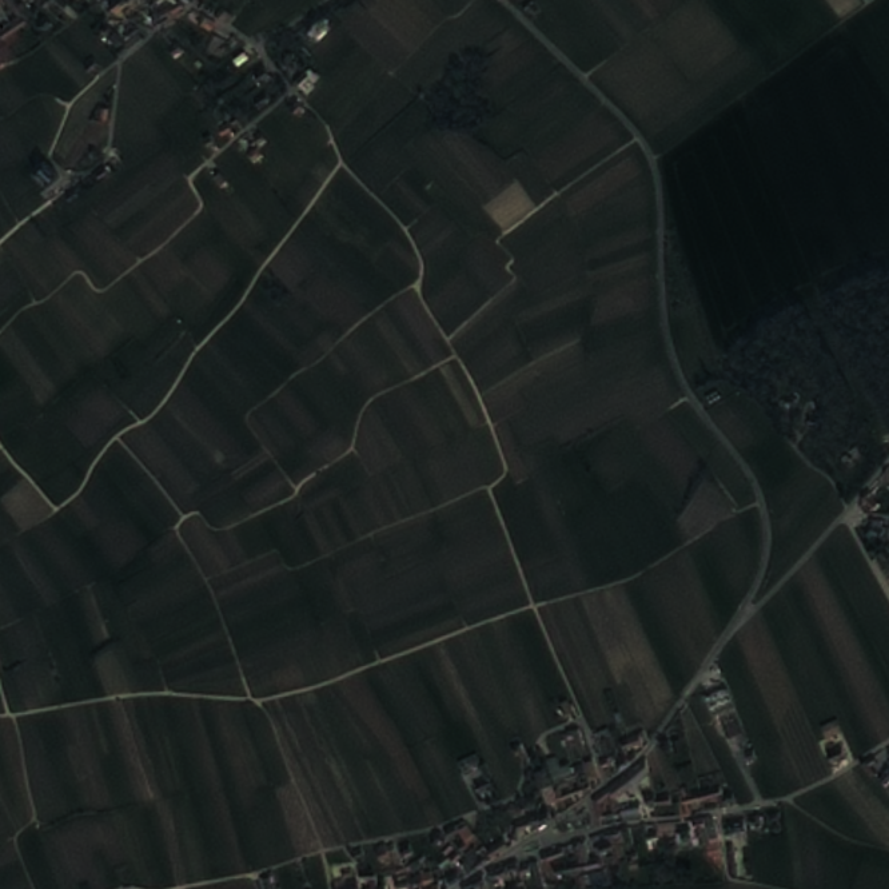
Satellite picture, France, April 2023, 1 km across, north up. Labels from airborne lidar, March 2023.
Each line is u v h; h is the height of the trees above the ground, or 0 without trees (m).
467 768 0
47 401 0
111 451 0
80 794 0
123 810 0
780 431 12
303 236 0
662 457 0
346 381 0
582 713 0
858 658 0
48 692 0
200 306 0
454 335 0
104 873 0
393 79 0
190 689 0
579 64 0
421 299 0
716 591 0
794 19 0
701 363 0
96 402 0
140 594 0
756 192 0
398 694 0
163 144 0
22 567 0
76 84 0
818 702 0
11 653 0
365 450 0
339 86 0
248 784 0
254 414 0
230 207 0
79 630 0
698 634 0
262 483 0
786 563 0
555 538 0
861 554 0
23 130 0
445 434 0
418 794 0
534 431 0
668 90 0
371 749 0
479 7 0
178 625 0
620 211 0
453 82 14
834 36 0
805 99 0
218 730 0
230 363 0
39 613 0
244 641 0
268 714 0
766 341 20
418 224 0
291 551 0
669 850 14
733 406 0
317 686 0
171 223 0
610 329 0
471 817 0
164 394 0
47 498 0
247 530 0
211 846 0
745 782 0
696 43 0
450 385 0
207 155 0
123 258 0
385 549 0
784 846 0
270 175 0
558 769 0
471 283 0
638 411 0
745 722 0
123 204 0
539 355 0
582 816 0
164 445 0
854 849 0
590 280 0
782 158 0
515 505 0
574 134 0
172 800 0
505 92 0
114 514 0
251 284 0
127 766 0
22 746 0
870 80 0
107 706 0
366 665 0
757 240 0
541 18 0
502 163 0
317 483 0
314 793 0
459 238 0
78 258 0
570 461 0
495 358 0
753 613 0
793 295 0
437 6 0
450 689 0
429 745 0
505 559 0
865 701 0
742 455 0
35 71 0
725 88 0
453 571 0
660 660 0
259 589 0
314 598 0
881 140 0
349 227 0
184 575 0
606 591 0
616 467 0
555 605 0
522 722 0
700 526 0
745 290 0
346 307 0
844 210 0
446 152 0
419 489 0
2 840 0
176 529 0
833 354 26
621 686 0
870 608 0
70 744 0
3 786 0
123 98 0
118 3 0
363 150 0
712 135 0
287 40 17
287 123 0
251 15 0
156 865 0
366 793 0
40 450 0
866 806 0
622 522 0
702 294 0
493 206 0
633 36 0
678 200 0
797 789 0
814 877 0
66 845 0
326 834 0
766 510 0
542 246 0
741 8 0
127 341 0
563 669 0
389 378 0
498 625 0
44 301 0
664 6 0
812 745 0
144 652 0
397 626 0
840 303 22
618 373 0
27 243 0
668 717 0
